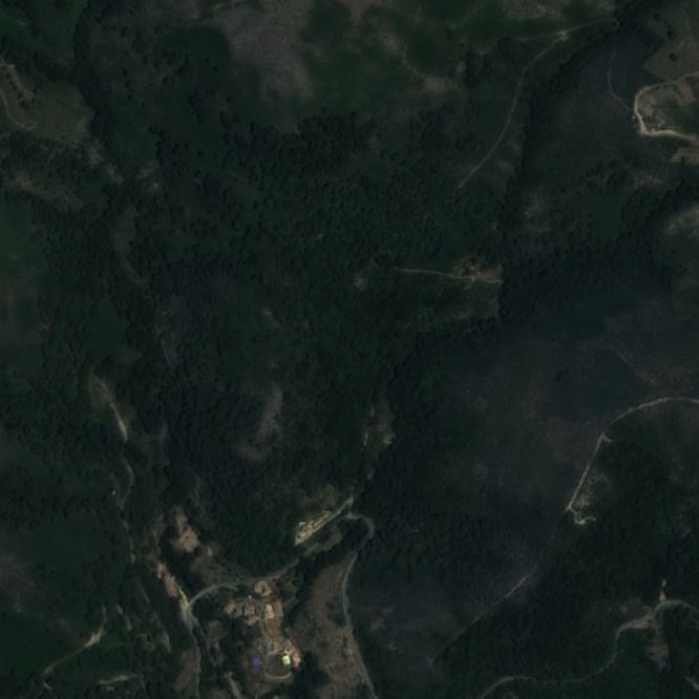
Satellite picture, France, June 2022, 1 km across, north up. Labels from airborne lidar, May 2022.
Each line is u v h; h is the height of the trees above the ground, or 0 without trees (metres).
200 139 0
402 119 0
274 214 0
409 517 11
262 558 12
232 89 0
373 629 0
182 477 9
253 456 0
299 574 12
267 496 13
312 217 12
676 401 0
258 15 0
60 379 13
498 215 9
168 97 0
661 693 14
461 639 6
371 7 0
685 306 0
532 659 17
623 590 12
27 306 0
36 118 0
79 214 7
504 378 0
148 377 22
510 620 14
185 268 7
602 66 0
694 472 0
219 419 15
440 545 8
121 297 21
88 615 13
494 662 13
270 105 0
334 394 14
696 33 0
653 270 14
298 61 0
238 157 12
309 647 0
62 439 12
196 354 6
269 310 0
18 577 0
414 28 0
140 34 6
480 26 0
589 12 0
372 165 0
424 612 0
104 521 11
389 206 12
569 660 13
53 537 0
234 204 10
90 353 15
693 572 6
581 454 0
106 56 0
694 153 0
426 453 12
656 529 11
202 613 15
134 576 14
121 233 0
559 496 0
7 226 0
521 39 0
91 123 10
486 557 6
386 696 9
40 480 0
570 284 6
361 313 12
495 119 0
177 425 14
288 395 15
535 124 14
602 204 0
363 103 0
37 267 0
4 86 0
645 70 0
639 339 0
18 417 15
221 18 0
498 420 0
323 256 13
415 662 0
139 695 12
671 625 16
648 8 11
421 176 18
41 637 0
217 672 12
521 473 0
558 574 11
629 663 10
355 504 10
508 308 25
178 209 8
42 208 17
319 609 0
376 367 10
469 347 13
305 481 16
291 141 13
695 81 0
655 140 0
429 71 0
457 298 9
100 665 9
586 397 0
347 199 17
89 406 15
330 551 20
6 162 18
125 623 8
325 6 0
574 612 17
